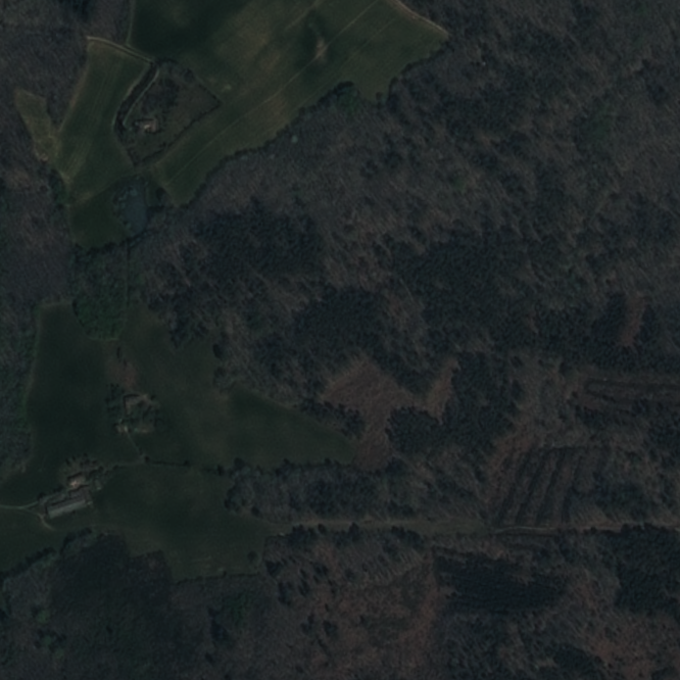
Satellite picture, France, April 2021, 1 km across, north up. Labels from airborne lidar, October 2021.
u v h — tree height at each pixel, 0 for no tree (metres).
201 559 0
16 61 18
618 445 9
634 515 17
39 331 10
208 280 23
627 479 18
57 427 0
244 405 0
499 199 15
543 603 10
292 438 0
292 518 16
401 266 19
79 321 11
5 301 20
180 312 28
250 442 0
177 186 0
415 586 6
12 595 21
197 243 23
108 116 0
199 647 9
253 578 7
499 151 22
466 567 8
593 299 15
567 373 20
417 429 25
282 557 8
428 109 18
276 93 0
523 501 7
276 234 23
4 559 0
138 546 0
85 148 0
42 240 20
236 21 0
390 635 5
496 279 26
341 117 20
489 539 6
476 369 24
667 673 7
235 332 18
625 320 17
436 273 25
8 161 24
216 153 0
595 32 22
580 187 17
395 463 18
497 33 20
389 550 24
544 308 22
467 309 21
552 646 13
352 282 15
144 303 16
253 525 0
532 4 19
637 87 24
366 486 29
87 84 0
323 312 23
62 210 19
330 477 18
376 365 21
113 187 0
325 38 0
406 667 8
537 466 6
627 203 13
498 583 7
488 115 26
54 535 0
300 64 0
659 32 24
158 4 0
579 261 19
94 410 0
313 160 14
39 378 0
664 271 13
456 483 14
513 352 22
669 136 23
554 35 14
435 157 22
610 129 13
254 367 22
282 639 9
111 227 0
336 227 16
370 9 0
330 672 18
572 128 18
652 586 20
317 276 26
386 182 17
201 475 0
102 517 0
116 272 19
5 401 19
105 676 8
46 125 0
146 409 13
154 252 17
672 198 15
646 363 21
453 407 20
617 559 21
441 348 24
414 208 21
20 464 13
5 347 22
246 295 20
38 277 19
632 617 10
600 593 12
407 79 13
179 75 19
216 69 0
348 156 12
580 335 23
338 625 6
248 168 17
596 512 19
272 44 0
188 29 0
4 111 17
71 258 16
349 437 16
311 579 8
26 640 10
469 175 16
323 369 21
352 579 14
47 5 20
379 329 21
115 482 0
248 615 7
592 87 21
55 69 20
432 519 17
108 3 19
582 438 6
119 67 0
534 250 26
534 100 19
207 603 11
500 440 23
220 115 0
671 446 22
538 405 10
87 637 10
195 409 0
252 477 22
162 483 0
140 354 0
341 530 0
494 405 25
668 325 19
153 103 11
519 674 12
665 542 22
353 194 20
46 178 13
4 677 12
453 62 15
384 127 16
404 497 17
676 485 15
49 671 13
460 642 14
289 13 0
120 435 9
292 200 16
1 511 0
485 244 12
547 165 16
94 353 0
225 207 15
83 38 14
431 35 0
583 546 16
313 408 24
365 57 0
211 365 0
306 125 15
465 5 18
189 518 0
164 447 0
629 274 15
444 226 13
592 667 16
